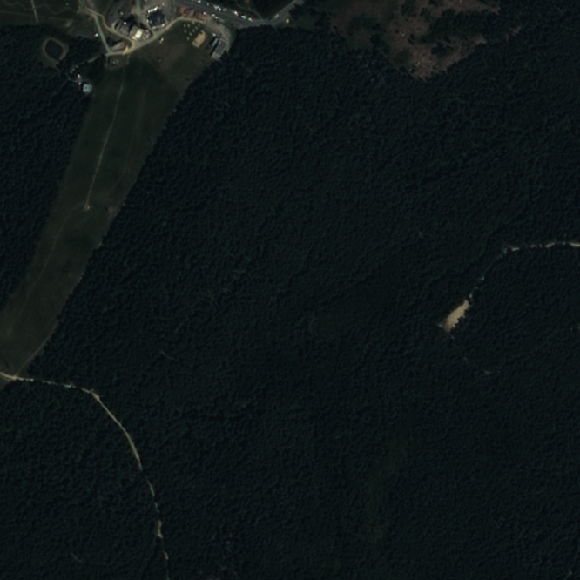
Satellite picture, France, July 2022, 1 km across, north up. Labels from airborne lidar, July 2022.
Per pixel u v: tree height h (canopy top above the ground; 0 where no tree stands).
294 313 20
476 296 20
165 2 0
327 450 16
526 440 15
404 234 14
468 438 20
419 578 15
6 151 21
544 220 25
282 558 20
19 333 0
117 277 18
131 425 19
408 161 19
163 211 17
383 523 12
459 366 18
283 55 23
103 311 11
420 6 0
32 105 20
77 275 0
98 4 0
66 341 18
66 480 14
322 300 15
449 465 22
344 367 18
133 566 16
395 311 15
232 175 16
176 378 17
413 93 17
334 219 16
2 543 19
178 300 16
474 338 14
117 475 27
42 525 20
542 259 18
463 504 16
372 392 16
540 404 16
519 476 18
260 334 22
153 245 15
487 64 15
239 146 19
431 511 14
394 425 14
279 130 22
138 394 20
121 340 21
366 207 17
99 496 23
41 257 0
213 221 20
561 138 20
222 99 22
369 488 11
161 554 20
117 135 0
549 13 13
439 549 14
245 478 22
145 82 0
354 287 12
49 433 19
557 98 17
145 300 22
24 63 18
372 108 17
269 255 16
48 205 21
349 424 21
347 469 17
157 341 18
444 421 18
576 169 19
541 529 17
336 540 11
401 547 14
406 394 18
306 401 24
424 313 18
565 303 16
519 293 17
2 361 0
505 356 11
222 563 23
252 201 20
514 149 19
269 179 19
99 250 10
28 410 16
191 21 0
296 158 19
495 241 23
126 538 22
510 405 13
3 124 23
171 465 20
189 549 15
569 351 15
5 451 10
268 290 21
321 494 20
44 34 8
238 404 23
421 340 19
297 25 0
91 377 20
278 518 23
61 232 0
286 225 18
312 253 14
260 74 11
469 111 19
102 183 0
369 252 14
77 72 8
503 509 17
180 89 0
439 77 16
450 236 14
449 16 9
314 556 17
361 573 14
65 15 0
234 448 25
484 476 18
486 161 7
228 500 23
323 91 21
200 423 25
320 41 12
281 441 19
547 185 23
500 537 13
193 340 19
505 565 17
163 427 22
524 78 10
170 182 16
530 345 16
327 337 13
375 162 16
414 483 18
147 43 0
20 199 20
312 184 19
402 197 19
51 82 19
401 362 18
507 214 15
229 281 20
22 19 0
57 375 20
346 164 16
